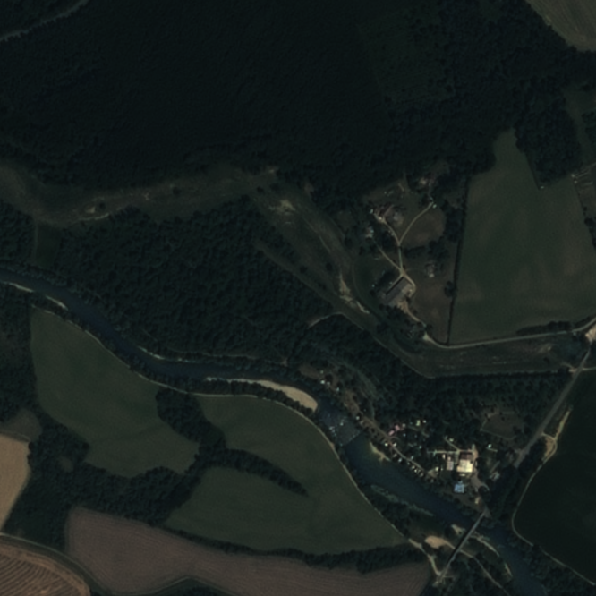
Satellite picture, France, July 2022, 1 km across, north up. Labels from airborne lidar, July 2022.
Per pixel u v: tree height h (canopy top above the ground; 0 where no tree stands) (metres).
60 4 19
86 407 0
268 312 16
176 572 0
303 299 12
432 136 22
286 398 10
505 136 0
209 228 15
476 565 16
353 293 0
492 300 0
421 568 0
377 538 0
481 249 0
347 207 21
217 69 14
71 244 5
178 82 16
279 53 12
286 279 16
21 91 18
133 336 11
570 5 0
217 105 17
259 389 12
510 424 0
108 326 0
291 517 0
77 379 0
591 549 0
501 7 21
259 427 0
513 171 0
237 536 0
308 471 0
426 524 0
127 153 26
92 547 0
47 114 25
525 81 22
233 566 0
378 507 13
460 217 13
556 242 0
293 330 11
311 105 15
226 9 12
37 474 15
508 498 19
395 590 0
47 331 0
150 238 7
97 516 0
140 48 17
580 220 0
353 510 0
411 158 25
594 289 0
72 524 0
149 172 24
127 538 0
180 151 13
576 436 0
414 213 0
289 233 0
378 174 25
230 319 19
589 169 0
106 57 15
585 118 9
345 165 28
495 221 0
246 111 16
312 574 0
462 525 0
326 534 0
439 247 13
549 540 0
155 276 15
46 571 0
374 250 16
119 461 0
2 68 18
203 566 0
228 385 12
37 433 0
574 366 0
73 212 0
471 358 0
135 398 0
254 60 11
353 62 13
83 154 27
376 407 10
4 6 17
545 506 0
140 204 0
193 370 0
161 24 16
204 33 13
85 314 0
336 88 12
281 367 12
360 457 0
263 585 0
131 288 7
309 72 14
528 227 0
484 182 0
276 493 0
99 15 15
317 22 12
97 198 0
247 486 0
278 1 13
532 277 0
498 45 20
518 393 15
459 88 16
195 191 0
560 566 0
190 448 0
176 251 12
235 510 0
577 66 26
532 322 0
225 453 9
